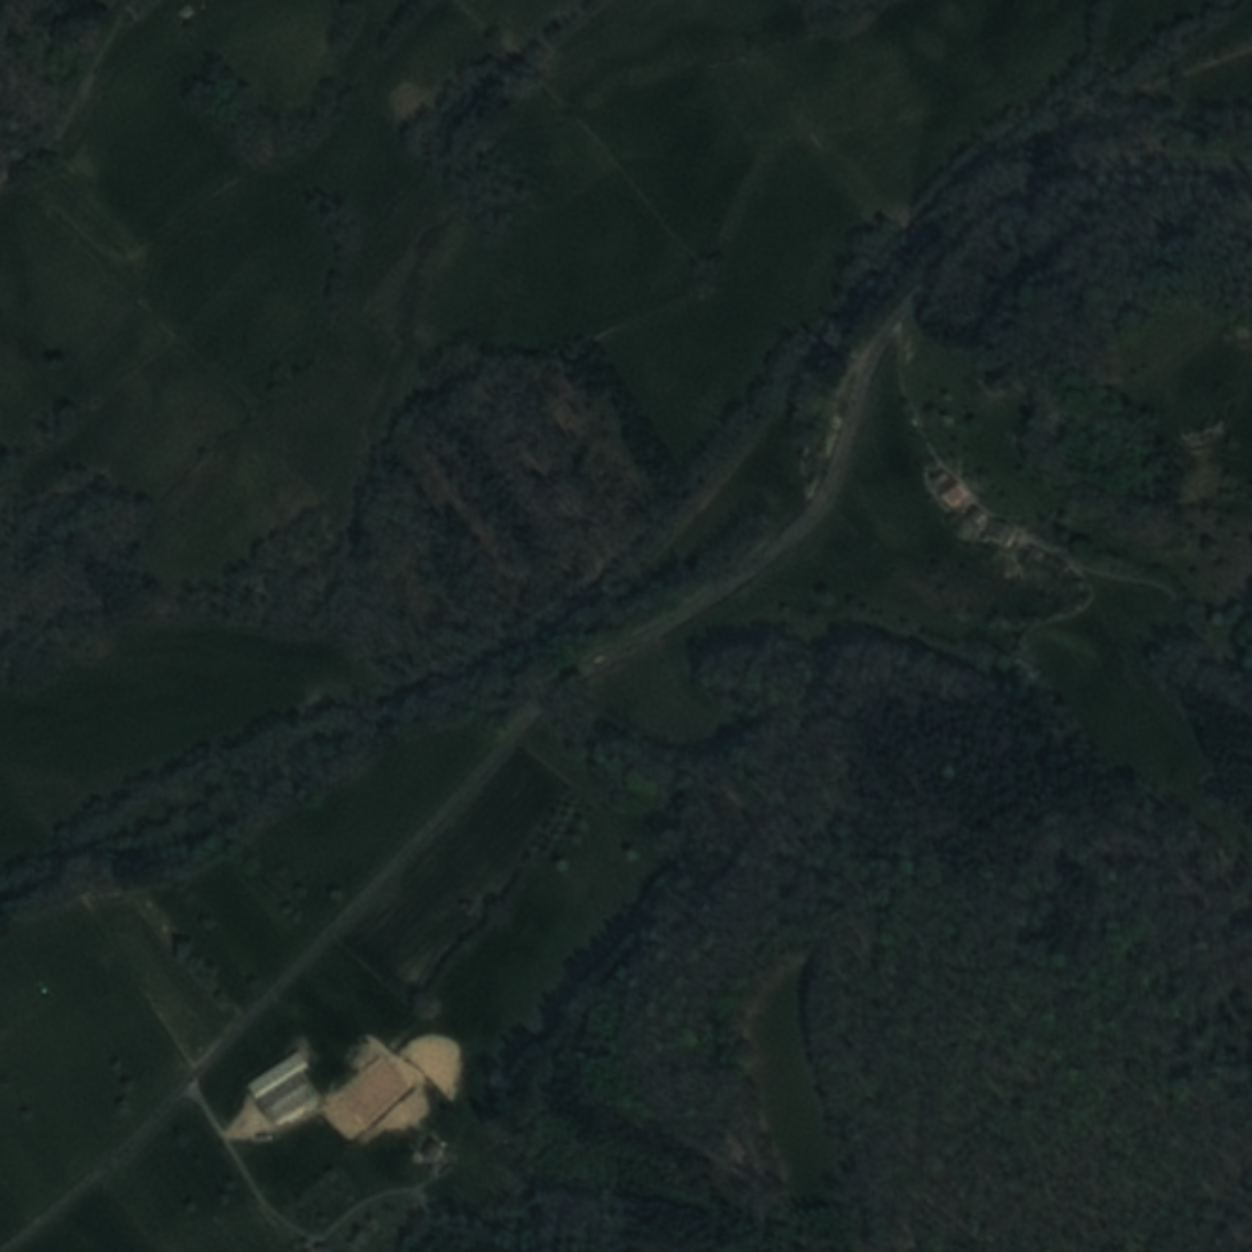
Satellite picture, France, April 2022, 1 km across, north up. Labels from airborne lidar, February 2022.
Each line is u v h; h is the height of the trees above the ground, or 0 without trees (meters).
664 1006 31
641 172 0
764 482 0
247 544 0
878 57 0
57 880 10
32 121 34
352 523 0
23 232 0
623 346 0
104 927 0
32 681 21
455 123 8
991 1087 31
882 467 0
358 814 0
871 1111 28
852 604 7
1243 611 13
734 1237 16
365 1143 0
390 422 0
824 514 0
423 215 0
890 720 28
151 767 0
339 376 0
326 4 0
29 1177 0
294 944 0
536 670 13
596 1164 11
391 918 0
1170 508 23
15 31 29
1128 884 31
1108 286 27
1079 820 28
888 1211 27
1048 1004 26
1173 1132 25
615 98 0
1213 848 29
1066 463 29
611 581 15
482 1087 0
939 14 0
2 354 0
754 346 0
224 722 0
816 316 0
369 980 0
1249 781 31
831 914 29
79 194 0
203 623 16
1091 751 18
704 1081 28
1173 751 0
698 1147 33
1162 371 0
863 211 0
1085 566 32
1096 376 27
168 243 0
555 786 0
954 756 31
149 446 0
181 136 0
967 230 14
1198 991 31
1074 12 0
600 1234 32
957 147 0
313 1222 0
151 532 0
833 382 27
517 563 26
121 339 0
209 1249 0
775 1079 0
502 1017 0
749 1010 26
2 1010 0
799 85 0
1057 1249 27
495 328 0
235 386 0
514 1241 16
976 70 0
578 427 0
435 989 7
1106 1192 28
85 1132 0
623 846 0
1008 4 0
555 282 0
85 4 19
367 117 0
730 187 0
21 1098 0
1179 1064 11
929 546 0
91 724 0
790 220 0
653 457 21
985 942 28
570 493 25
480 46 0
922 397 0
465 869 0
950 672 28
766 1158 22
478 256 0
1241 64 0
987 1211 29
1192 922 38
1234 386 0
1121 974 30
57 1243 0
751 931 32
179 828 17
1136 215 28
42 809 0
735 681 33
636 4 0
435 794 0
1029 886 32
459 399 25
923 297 0
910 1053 26
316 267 0
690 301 0
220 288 0
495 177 23
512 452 27
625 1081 25
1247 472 0
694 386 0
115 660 0
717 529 0
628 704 0
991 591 0
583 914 0
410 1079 0
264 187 0
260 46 0
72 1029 0
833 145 0
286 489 0
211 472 0
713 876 22
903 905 26
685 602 22
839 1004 26
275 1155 0
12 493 15
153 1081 0
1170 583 11
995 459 0
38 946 0
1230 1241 33
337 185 0
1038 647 0
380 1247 0
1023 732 29
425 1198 0
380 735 28
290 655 0
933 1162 24
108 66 0
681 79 0
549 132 0
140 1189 0
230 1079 0
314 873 0
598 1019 24
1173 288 24
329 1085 0
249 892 0
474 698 29
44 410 0
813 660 21
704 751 0
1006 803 33
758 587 0
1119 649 0
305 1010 0
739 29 0
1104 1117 27
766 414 22
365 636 25
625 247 0
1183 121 21
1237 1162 32
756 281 0
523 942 0
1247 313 20
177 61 0
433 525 23
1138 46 0
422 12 13
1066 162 23
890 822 25
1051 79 0
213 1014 0
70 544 23
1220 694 30
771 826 28
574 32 11
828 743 25
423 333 0
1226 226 30
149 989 0
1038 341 26
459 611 23
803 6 20
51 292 0
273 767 25
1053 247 29
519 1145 26
